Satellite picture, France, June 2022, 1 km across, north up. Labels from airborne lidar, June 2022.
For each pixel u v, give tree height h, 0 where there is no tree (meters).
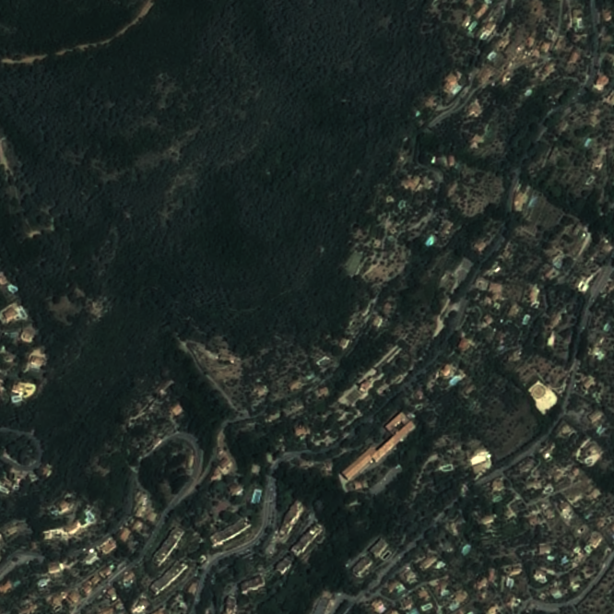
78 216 20
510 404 9
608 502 6
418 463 11
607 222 19
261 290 8
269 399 8
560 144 10
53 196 15
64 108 13
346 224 10
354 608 10
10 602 8
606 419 6
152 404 6
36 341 16
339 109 13
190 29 10
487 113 7
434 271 8
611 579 5
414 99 17
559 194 21
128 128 15
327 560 18
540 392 0
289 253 14
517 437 0
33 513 13
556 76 6
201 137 11
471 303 13
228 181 11
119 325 12
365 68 8
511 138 9
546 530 8
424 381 24
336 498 17
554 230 6
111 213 14
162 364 12
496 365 12
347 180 17
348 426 8
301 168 17
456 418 8
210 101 9
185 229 12
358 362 13
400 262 8
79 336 7
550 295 8
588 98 11
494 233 9
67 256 14
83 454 12
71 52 8
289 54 9
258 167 8
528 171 6
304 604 14
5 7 10
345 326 17
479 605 10
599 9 7
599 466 7
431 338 8
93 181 7
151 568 14
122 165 8
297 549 0
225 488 14
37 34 10
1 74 10
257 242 16
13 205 11
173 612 10
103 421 14
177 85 10
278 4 14
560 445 6
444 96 14
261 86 11
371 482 10
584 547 7
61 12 6
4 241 13
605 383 6
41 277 16
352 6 20
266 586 7
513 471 6
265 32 12
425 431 16
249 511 9
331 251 23
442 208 18
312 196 14
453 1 8
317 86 9
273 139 16
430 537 18
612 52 11
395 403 29
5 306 6
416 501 8
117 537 17
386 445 0
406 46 8
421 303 11
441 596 8
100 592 0
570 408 8
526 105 9
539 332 9
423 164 17
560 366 6
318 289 10
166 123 15
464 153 10
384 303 11
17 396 0
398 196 8
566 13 6
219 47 15
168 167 9
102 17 8
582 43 7
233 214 13
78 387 10
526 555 8
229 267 11
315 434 7
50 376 14
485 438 6
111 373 14
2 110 12
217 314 13
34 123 17
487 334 16
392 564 0
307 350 12
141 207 14
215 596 9
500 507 14
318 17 11
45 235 10
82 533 6
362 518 7
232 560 13
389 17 17
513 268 7
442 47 11
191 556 16
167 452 8
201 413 13
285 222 15
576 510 9
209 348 6
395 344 14
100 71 12
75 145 16
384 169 7
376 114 13
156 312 12
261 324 7
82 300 9
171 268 10
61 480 12
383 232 8
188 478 11
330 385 8
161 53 7
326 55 16
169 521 18
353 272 0
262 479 14
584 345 17
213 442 28
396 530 8
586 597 7
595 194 10
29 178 14
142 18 7
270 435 13
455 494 22
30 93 15
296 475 14
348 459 14
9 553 8
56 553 13
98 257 11
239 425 16
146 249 9
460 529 13
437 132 9
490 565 11
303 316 13
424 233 7
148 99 12
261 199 19
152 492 6
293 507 0
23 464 17
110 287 9
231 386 6
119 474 7
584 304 16
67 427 12
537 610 8
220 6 12
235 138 10
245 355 9
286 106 15
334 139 16
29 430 10
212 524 7
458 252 16
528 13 9
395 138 16
